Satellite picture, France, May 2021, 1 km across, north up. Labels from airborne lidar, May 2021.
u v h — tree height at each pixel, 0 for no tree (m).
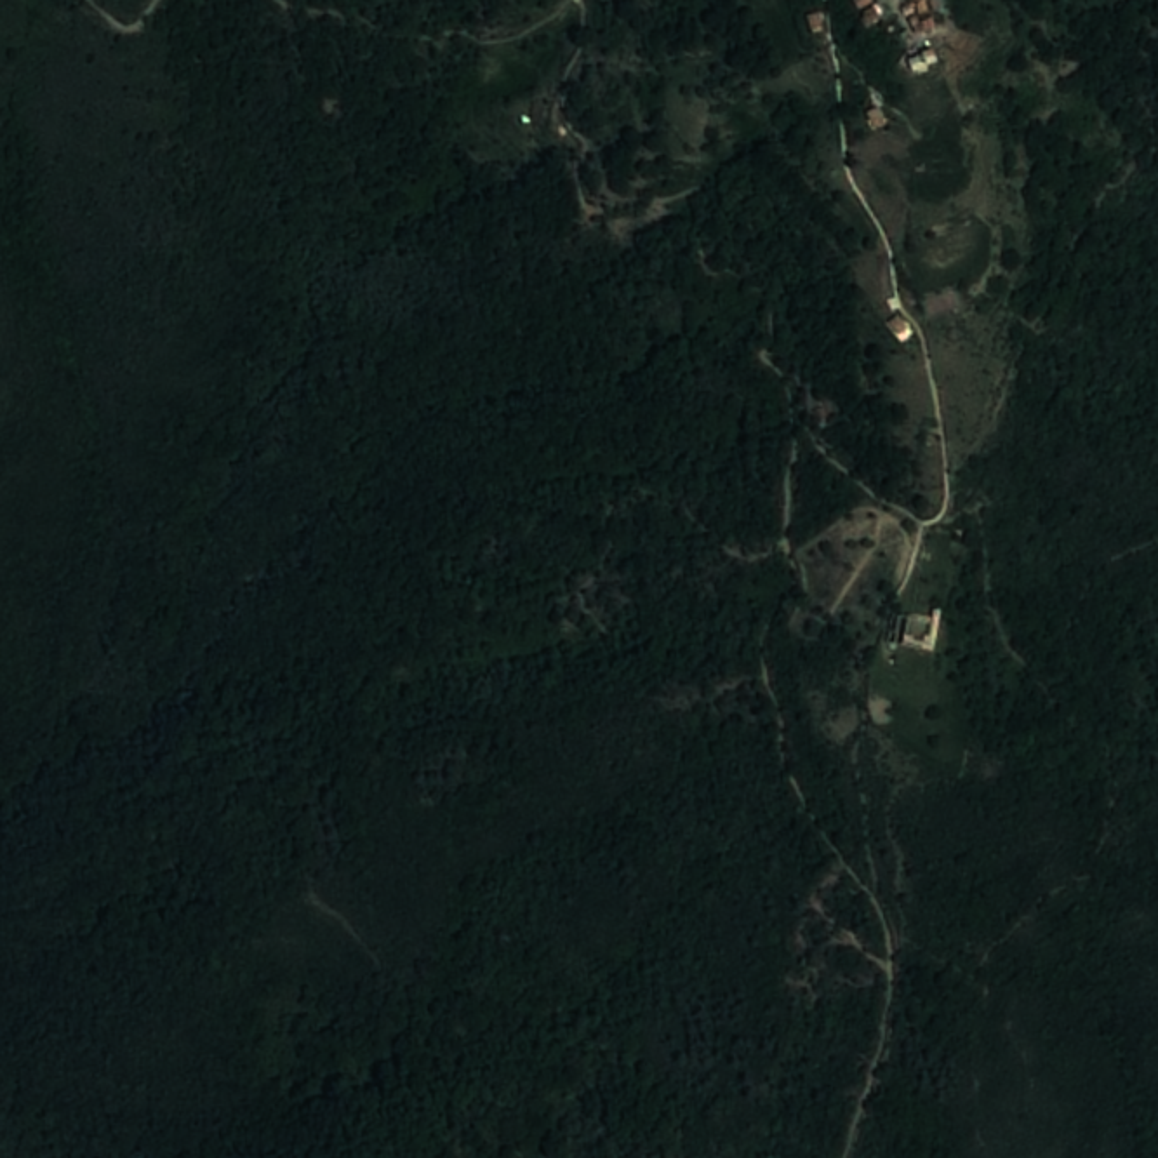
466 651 13
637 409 13
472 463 13
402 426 22
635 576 8
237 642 17
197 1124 15
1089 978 12
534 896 12
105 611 9
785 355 8
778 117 14
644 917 8
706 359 6
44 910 14
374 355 15
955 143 0
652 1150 6
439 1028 21
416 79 15
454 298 7
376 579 17
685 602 11
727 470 9
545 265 13
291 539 25
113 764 17
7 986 22
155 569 19
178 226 8
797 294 18
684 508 12
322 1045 22
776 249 19
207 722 15
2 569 7
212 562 14
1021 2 12
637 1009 16
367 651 17
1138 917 6
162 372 6
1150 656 15
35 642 8
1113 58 19
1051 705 12
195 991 6
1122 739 12
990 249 0
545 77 0
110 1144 19
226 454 25
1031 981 9
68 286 7
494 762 9
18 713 16
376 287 12
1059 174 6
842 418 9
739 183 13
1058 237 17
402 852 7
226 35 13
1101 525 8
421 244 20
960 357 0
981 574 11
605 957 8
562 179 14
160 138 10
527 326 17
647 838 11
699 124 0
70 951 21
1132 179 6
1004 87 12
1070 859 6
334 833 16
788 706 7
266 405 14
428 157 20
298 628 14
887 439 11
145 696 16
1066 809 10
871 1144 7
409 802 8
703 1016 17
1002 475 6
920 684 0
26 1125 12
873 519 10
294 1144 16
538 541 6
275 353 9
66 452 8
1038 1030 8
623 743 6
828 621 10
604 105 6
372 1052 16
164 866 15
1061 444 6
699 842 10
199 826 14
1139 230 7
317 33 19
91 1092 11
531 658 9
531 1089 9
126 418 6
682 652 9
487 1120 17
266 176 9
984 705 11
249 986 8
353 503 27
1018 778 11
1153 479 6
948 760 0
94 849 15
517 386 20
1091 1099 7
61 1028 12
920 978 16
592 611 14
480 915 16
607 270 19
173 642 24
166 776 21
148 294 6
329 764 13
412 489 21
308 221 15
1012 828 6
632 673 15
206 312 9
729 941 5
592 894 7
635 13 15
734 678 8
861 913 7
